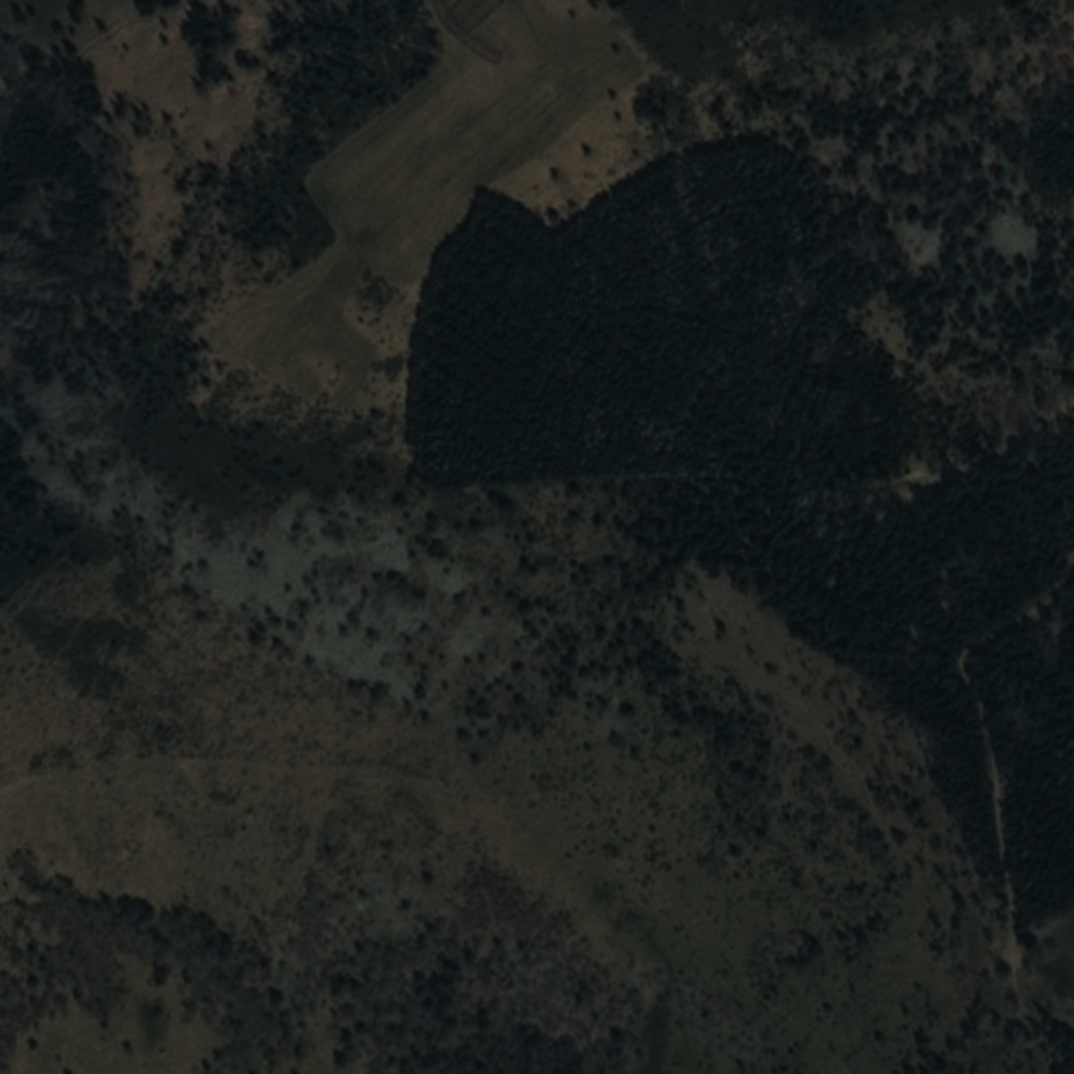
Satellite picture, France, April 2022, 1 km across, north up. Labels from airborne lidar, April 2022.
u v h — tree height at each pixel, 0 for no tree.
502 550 0
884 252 16
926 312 11
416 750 0
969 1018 0
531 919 10
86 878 0
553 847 0
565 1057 16
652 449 23
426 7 0
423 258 0
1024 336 22
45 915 15
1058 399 20
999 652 23
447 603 0
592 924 0
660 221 21
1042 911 21
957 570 22
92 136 13
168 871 0
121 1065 0
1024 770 24
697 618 0
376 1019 14
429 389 13
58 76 14
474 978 7
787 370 21
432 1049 14
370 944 11
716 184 21
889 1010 0
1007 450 10
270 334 0
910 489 0
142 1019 0
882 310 12
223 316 0
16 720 0
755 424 24
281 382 0
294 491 0
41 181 6
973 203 12
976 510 28
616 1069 11
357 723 0
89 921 14
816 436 17
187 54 0
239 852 0
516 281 24
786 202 27
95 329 11
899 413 8
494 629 0
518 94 0
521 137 0
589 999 10
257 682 0
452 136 0
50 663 0
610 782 0
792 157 17
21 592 0
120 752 0
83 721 0
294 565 0
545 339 20
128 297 8
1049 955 19
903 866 0
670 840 0
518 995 6
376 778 0
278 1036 17
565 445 19
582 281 23
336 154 0
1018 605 25
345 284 0
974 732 18
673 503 7
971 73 13
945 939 23
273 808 0
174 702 0
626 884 0
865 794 0
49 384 7
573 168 0
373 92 10
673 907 0
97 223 14
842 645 22
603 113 0
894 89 16
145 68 0
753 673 0
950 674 25
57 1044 0
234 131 0
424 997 18
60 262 10
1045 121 15
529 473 22
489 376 19
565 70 0
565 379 25
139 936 18
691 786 0
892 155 12
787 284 27
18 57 11
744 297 23
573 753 0
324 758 0
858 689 17
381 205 0
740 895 0
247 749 0
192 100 0
